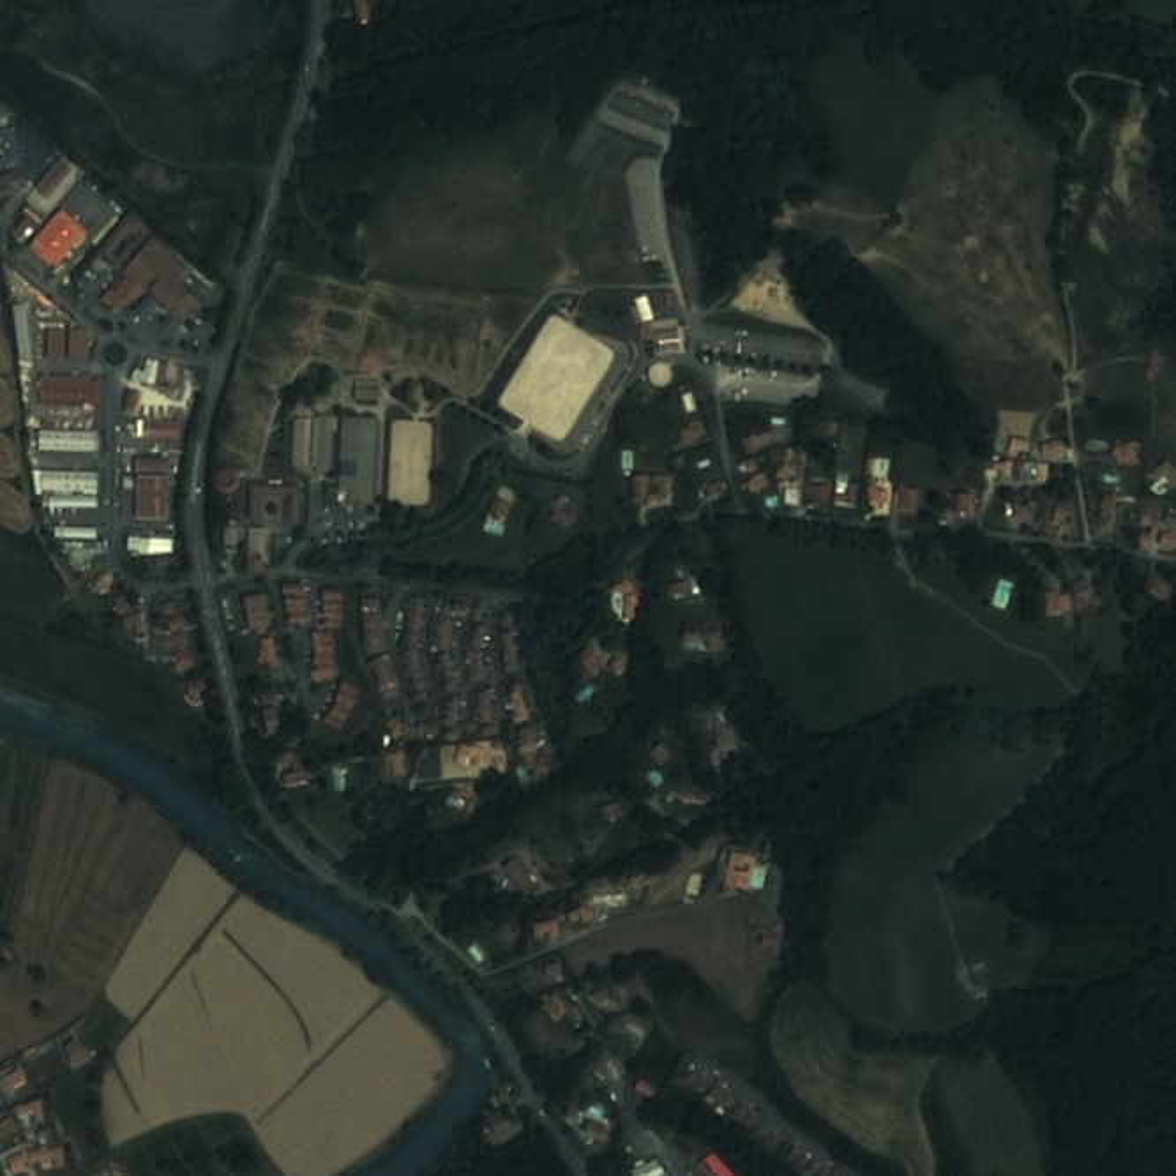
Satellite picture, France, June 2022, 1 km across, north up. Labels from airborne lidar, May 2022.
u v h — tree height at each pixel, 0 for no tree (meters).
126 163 0
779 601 0
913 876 0
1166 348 0
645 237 0
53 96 0
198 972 0
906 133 0
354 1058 0
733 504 7
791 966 16
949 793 0
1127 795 26
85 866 0
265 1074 0
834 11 22
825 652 0
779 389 0
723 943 0
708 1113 16
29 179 0
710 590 18
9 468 0
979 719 0
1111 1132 16
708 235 8
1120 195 0
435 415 0
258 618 0
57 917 0
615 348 0
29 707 0
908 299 0
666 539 16
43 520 0
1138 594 9
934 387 13
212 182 0
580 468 0
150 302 0
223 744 14
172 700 0
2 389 0
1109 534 0
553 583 16
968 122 0
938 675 0
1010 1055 13
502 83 19
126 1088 0
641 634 15
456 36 12
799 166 0
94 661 0
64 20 0
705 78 26
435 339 0
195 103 0
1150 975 20
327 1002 0
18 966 0
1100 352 0
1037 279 0
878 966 0
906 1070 0
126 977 0
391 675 0
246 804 21
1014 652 0
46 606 0
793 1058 0
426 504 0
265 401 0
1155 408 0
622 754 15
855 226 0
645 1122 16
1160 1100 24
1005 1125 0
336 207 12
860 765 28
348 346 0
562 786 13
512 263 0
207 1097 0
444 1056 0
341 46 22
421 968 13
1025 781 0
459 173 0
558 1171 17
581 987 13
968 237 0
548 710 10
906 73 0
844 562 0
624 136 0
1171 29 14
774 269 0
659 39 13
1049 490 16
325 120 13
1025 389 0
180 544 8
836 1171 5
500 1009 9
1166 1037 27
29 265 0
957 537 16
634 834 0
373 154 9
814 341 0
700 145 23
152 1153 0
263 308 0
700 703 8
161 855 0
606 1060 0
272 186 0
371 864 16
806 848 13
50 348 0
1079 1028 26
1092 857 18
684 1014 0
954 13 23
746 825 15
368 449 0
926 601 0
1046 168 0
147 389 0
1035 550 14
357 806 18
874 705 0
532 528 12
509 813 21
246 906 0
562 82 24
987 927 0
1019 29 23
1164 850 24
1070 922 16
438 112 13
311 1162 0
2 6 0
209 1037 0
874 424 12
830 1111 0
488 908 23
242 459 0
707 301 11
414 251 0
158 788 0
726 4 9
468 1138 13
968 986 0
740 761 13
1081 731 17
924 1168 0
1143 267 0
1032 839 23
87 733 0
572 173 0
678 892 0
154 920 0
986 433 15
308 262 0
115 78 0
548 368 0
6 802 0
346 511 0
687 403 0
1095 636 0
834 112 0
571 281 0
